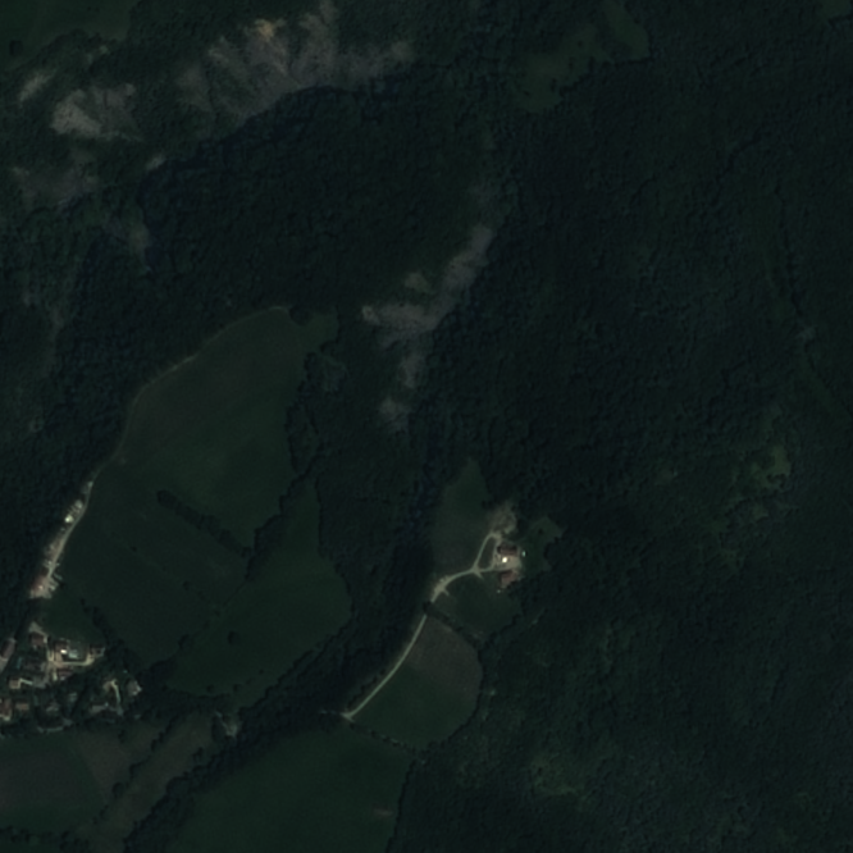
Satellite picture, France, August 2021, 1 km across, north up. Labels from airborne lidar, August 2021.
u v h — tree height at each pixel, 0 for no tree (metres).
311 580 0
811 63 24
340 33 6
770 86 22
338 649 15
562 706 8
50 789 0
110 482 0
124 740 8
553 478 15
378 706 0
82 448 12
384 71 7
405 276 16
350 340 12
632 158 15
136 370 14
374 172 27
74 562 0
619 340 17
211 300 17
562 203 19
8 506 16
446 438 12
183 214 28
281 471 0
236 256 27
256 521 0
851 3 0
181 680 0
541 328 14
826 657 17
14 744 0
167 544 0
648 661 12
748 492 15
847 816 15
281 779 0
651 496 14
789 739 22
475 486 0
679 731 21
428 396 16
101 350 10
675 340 12
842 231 17
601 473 24
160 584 0
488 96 17
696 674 18
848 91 23
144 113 11
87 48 8
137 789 0
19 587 9
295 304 13
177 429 0
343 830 0
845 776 13
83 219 20
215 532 14
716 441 15
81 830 0
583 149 11
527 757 16
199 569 0
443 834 25
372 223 25
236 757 19
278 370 0
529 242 19
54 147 13
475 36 8
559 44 13
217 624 0
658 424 16
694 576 19
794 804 11
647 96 17
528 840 30
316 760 0
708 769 19
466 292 20
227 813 0
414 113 24
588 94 14
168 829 19
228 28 8
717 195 15
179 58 14
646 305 11
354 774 0
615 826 10
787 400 15
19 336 16
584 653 12
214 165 30
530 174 15
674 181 14
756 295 19
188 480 0
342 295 15
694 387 21
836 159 26
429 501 12
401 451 18
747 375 24
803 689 16
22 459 16
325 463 16
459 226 23
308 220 29
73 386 14
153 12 6
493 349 16
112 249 21
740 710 7
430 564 10
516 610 0
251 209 30
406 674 0
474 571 0
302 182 28
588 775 7
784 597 12
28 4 0
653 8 18
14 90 7
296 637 0
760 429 11
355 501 19
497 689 10
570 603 18
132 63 11
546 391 14
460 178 22
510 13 7
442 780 11
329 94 7
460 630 9
